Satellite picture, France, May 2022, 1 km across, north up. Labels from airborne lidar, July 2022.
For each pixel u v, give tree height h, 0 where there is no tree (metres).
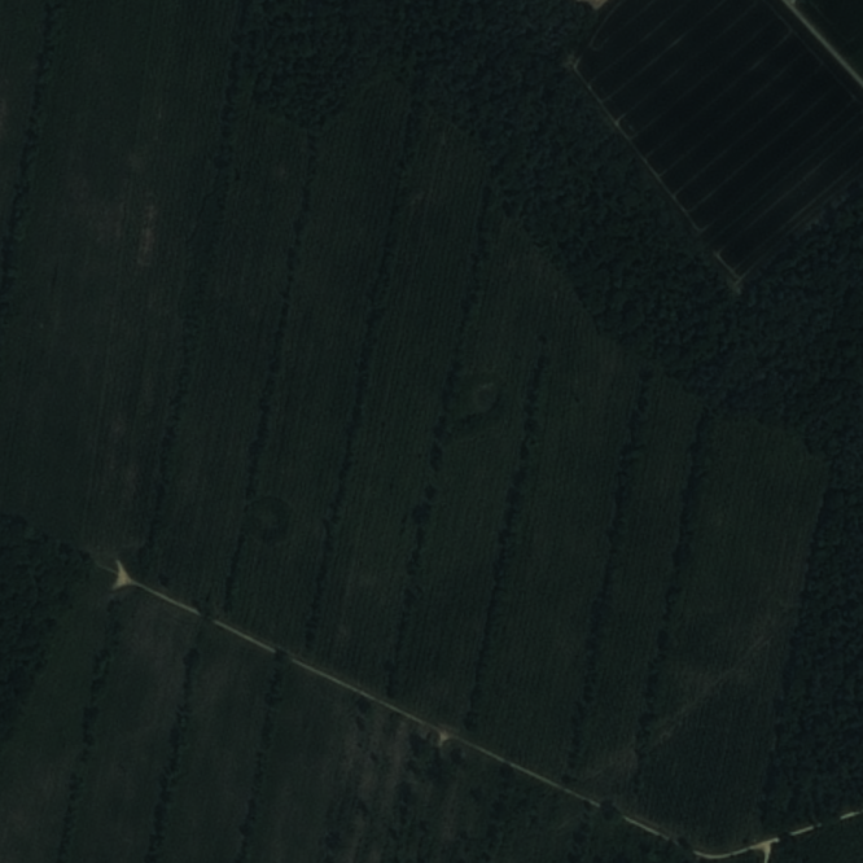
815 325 26
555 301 6
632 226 15
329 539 10
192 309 7
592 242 29
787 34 0
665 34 0
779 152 0
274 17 6
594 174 15
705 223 0
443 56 28
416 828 7
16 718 27
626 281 30
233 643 0
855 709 20
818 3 0
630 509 11
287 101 23
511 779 25
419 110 17
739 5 0
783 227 0
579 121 30
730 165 0
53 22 20
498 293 5
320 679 0
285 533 7
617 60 0
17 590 20
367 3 32
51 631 25
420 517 24
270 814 0
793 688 22
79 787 18
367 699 0
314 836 0
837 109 0
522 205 14
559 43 20
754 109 0
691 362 12
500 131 25
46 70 21
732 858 7
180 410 15
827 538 21
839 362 15
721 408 28
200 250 8
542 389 21
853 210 13
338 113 21
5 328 6
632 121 0
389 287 14
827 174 0
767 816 25
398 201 7
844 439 30
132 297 0
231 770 0
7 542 24
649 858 21
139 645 0
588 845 21
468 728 18
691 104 0
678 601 17
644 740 14
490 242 18
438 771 26
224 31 7
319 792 0
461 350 8
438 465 20
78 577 24
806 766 28
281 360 10
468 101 28
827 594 14
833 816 27
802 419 27
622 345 26
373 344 11
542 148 28
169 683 0
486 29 25
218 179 7
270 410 22
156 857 8
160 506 9
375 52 23
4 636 22
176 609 0
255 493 17
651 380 22
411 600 20
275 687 18
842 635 16
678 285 12
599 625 21
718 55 0
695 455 20
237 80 24
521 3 22
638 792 9
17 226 19
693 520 16
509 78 23
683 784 5
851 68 0
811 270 24
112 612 14
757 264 0
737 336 29
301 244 11
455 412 23
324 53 21
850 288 14
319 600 13
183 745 22
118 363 0
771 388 28
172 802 19
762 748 5
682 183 0
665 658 14
